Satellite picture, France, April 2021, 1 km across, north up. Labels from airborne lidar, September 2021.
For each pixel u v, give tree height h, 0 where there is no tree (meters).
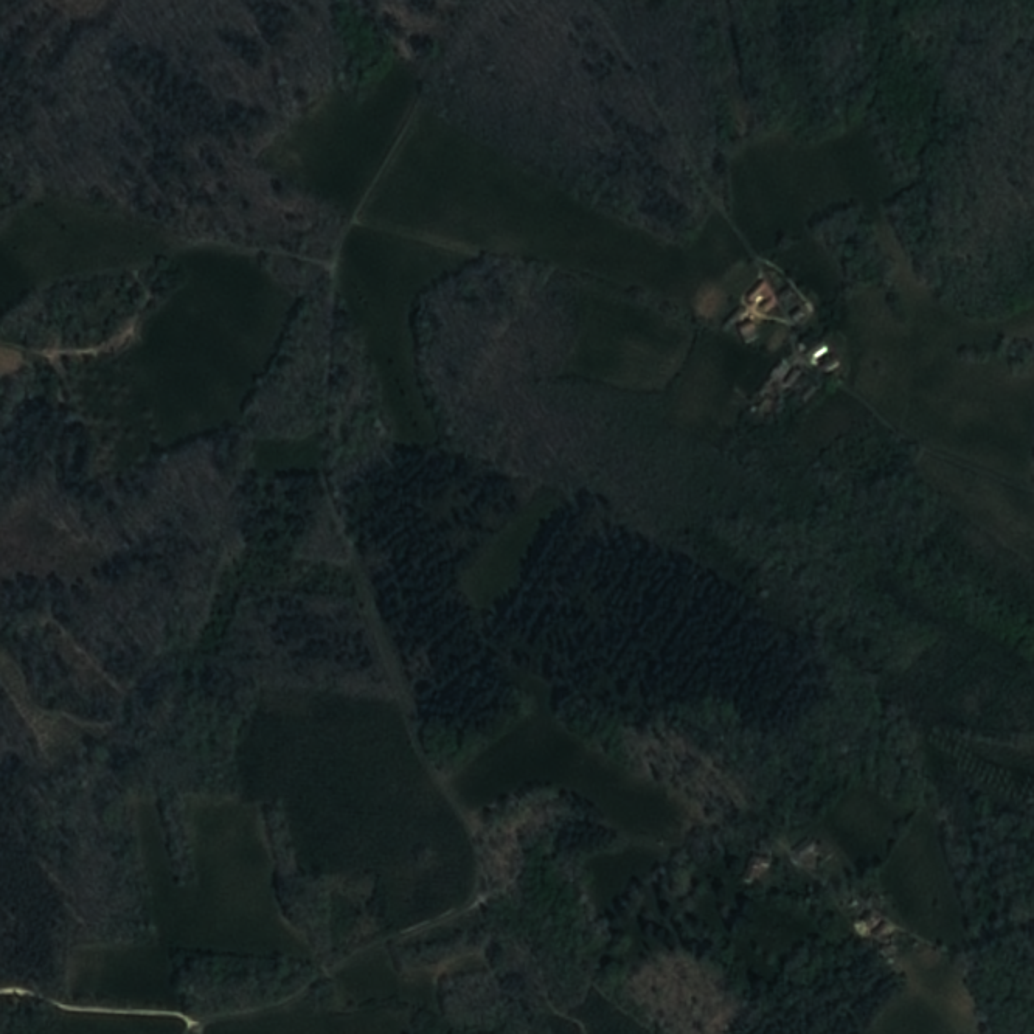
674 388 12
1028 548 0
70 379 10
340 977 0
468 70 15
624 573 27
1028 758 6
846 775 23
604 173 22
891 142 15
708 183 9
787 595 11
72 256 0
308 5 17
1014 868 20
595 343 0
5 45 18
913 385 0
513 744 0
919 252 19
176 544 25
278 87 16
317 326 13
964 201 12
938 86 11
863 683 22
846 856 0
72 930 16
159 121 21
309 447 0
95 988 0
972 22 19
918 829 0
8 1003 6
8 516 21
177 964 9
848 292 13
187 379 0
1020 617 20
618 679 17
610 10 16
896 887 0
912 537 23
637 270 0
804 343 13
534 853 19
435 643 26
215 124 21
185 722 24
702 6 17
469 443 19
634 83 18
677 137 15
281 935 0
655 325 0
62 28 12
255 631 9
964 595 20
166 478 21
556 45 14
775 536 18
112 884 15
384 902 7
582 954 16
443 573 21
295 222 13
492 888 15
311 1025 0
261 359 0
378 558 12
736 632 29
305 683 10
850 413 0
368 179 0
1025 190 15
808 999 16
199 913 0
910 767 20
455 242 0
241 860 0
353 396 19
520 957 12
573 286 7
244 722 17
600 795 0
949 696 6
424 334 17
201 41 18
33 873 22
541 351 8
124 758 14
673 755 16
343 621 13
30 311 20
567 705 22
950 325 0
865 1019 17
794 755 22
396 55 11
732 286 0
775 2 20
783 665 19
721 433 0
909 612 9
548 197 0
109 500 19
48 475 22
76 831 21
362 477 18
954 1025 0
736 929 21
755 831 21
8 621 27
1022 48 14
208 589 17
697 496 13
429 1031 9
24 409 17
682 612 22
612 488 17
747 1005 15
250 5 18
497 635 22
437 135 0
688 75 18
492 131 18
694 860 21
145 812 0
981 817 23
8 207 8
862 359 0
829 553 16
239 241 21
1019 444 0
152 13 21
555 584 22
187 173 23
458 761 14
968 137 21
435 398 14
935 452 0
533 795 20
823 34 17
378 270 0
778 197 0
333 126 0
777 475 9
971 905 18
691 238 9
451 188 0
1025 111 17
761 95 21
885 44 11
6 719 20
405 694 0
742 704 28
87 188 18
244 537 20
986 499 0
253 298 0
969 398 0
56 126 18
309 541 15
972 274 12
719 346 0
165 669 19
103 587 24
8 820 21
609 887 0
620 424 14
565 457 16
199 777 14
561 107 14
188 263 0
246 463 21
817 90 12
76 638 31
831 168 0
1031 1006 9
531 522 0
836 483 21
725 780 22
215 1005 18
